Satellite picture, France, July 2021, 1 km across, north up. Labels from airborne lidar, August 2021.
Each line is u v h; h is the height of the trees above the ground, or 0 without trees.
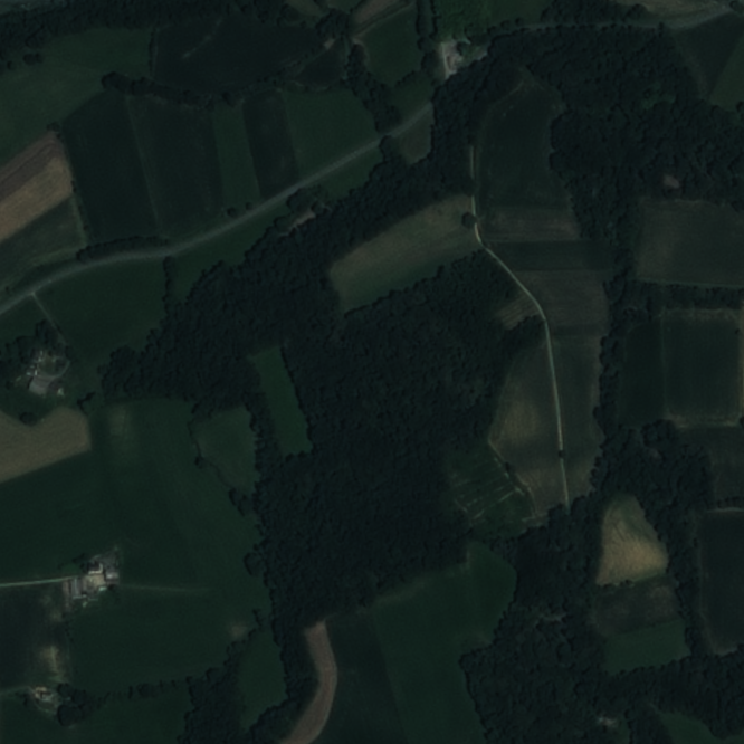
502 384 13
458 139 28
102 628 0
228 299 18
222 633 0
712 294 17
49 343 14
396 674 0
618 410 24
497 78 27
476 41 25
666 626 0
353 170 0
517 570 14
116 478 0
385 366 21
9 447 0
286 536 30
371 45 0
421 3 11
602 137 32
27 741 0
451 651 0
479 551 0
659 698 10
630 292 24
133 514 0
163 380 24
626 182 26
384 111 11
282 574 22
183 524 0
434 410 16
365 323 21
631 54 22
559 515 27
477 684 24
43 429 0
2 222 0
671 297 21
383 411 16
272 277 29
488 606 0
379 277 0
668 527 24
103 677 0
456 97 26
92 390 0
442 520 22
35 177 0
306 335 22
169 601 0
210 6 27
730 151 31
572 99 24
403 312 25
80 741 0
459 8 26
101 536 0
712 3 0
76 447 0
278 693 0
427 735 0
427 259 0
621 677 8
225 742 21
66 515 0
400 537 19
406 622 0
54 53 0
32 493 0
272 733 21
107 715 0
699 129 25
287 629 23
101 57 0
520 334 20
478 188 15
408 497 24
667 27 20
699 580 17
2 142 0
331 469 25
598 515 20
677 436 19
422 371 16
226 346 23
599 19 18
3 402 0
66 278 0
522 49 23
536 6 0
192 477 0
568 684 24
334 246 30
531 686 18
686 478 25
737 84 0
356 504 18
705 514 21
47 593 0
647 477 25
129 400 7
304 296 28
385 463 22
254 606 0
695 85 22
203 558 0
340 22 21
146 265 0
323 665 0
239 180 0
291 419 0
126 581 0
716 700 17
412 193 27
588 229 12
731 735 14
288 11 19
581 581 28
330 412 24
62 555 0
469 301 22
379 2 0
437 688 0
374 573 26
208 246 0
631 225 21
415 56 0
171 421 0
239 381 28
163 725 0
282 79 11
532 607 22
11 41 25
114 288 0
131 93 14
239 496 27
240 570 0
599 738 23
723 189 24
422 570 24
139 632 0
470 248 0
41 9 6
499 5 0
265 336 22
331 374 26
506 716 26
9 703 0
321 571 27
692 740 0
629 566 0
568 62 27
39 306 0
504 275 16
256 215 0
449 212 0
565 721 18
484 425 23
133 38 0
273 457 31
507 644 23
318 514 22
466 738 0
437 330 25
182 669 0
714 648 19
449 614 0
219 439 0
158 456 0
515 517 0
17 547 0
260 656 0
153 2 24
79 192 8
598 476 21
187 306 14
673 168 24
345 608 21
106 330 0
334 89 7
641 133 22
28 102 0
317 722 0
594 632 24
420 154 0
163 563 0
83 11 20
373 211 24
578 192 12
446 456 23
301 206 25
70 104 0
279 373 0
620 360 29
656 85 28
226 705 28
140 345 0
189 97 20
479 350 19
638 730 21
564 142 29
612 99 27
